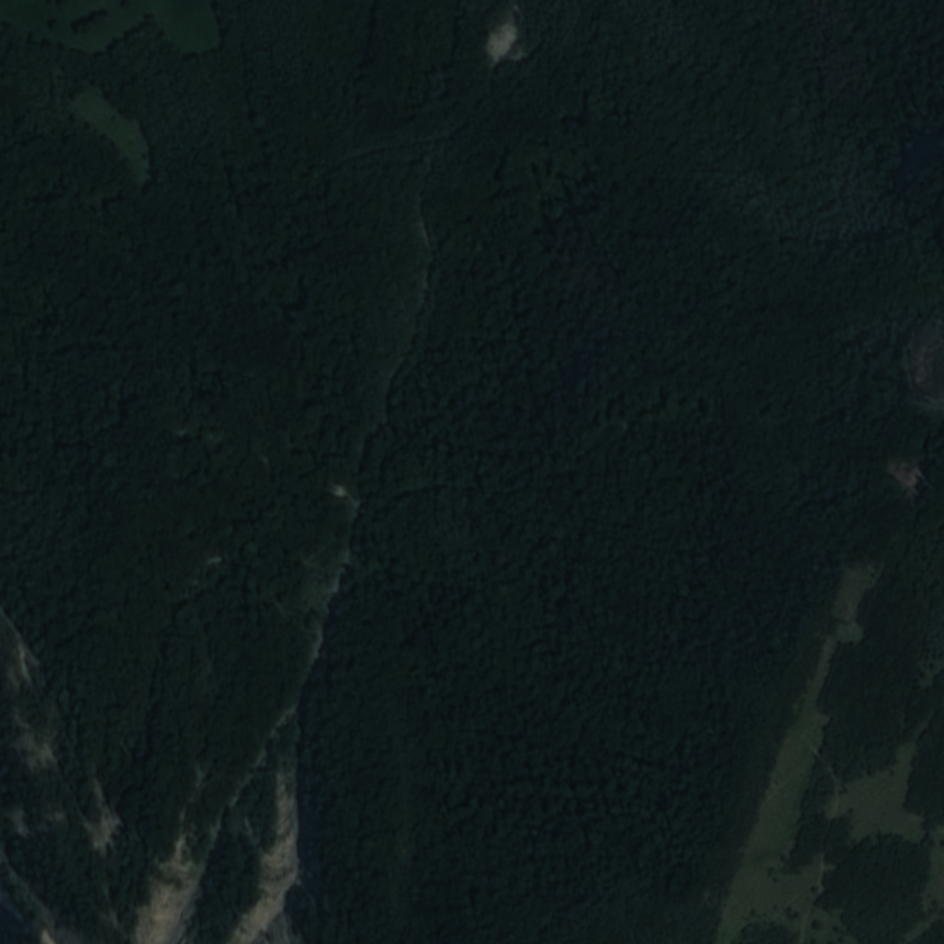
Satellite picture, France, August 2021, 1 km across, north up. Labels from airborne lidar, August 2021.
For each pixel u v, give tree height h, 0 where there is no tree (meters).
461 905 25
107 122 0
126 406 12
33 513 19
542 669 14
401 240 12
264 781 10
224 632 25
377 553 15
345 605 21
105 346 16
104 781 20
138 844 8
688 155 19
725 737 15
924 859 10
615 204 29
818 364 12
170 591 20
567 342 20
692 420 17
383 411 13
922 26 24
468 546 11
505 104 22
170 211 22
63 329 21
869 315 9
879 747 13
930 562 13
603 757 15
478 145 23
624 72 20
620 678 16
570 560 13
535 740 17
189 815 10
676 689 20
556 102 20
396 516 16
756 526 24
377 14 21
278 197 21
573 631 20
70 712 13
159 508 19
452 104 18
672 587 12
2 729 11
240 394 21
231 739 21
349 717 18
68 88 7
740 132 19
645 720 11
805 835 15
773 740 10
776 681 14
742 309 22
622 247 28
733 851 10
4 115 8
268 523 29
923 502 16
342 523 15
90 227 19
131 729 21
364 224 13
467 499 13
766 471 21
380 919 16
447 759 13
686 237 24
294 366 20
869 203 7
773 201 10
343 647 18
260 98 21
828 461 13
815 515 19
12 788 14
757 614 17
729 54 20
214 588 11
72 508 25
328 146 13
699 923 12
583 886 15
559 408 17
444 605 26
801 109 13
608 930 12
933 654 13
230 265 23
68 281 26
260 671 23
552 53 16
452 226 10
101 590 22
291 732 13
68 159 21
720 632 17
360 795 24
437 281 11
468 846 16
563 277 27
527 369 18
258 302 21
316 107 8
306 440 10
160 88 11
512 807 20
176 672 19
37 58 14
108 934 11
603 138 23
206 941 9
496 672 15
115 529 24
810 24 23
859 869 13
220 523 25
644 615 17
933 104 21
